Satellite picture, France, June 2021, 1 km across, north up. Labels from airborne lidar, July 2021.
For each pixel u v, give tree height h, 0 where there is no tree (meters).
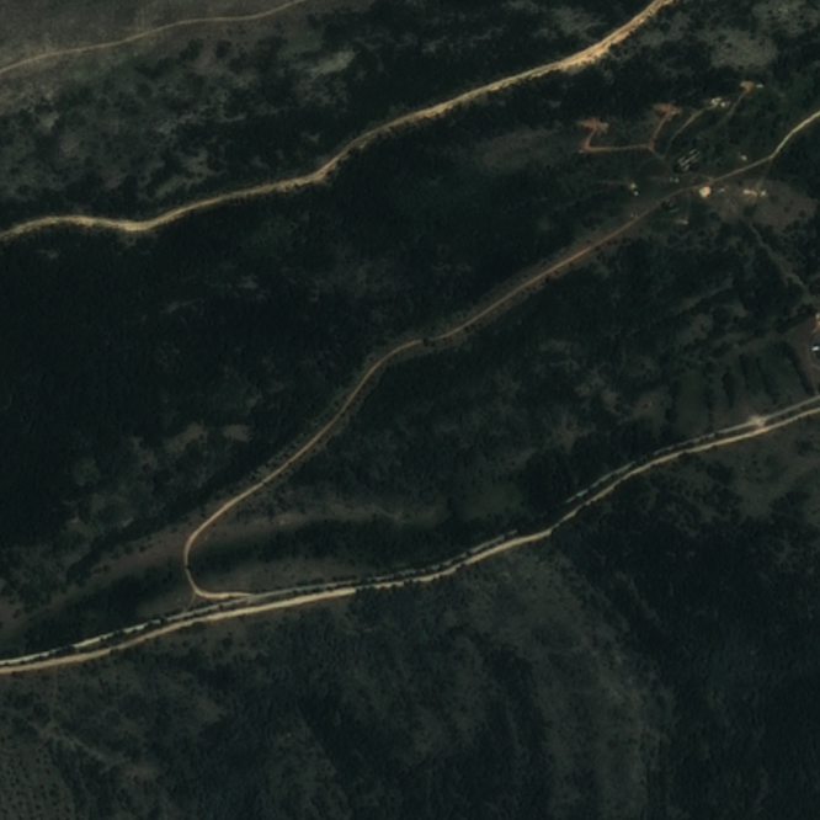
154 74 6
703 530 6
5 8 0
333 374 12
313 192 9
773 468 0
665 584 9
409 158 11
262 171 6
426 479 8
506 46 8
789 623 10
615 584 9
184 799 9
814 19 0
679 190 0
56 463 15
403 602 10
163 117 0
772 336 0
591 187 6
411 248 10
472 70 6
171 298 6
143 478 7
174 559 0
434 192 7
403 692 6
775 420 0
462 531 9
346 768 6
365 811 9
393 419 9
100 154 0
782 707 11
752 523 6
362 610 6
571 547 12
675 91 7
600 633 0
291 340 8
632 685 0
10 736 7
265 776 9
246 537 0
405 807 8
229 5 0
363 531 7
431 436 5
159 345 7
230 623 0
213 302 11
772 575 6
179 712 7
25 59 0
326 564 0
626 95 12
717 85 17
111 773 6
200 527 0
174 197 8
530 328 8
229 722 5
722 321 12
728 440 0
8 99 0
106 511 6
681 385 8
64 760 7
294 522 0
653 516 7
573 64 0
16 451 13
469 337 6
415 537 6
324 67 0
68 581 7
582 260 0
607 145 0
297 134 7
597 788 5
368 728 6
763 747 6
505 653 7
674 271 7
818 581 6
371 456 6
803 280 7
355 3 0
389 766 9
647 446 7
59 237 8
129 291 12
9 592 6
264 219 8
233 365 7
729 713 10
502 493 0
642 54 6
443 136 12
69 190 7
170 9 0
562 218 6
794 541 7
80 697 0
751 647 13
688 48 6
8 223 9
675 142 8
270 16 0
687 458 7
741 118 11
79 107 0
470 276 7
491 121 9
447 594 7
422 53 8
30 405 11
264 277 7
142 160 5
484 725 7
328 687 6
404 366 9
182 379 9
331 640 8
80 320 8
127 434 11
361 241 6
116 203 8
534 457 6
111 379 10
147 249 9
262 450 12
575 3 6
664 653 9
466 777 7
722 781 6
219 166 6
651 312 10
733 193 0
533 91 8
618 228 0
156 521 9
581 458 9
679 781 8
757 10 0
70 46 0
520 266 7
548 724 5
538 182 7
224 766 12
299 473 9
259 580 0
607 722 0
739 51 0
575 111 9
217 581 0
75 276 13
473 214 8
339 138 8
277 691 8
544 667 0
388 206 11
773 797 8
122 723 0
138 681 0
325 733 9
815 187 6
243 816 10
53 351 10
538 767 7
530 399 7
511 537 6
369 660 9
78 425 12
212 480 9
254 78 0
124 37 0
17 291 15
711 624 10
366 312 7
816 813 8
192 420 6
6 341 11
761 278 7
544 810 7
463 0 7
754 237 8
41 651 7
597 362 7
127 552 6
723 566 8
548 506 10
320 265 7
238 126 6
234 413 7
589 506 8
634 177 0
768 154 0
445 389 8
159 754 6
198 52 0
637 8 7
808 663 13
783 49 8
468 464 7
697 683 13
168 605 0
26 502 13
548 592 0
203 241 11
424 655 7
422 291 6
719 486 7
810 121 0
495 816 6
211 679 7
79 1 0
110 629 6
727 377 11
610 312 6
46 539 7
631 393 8
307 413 6
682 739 7
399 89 7
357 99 6
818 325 0
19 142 0
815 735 10
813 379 0
